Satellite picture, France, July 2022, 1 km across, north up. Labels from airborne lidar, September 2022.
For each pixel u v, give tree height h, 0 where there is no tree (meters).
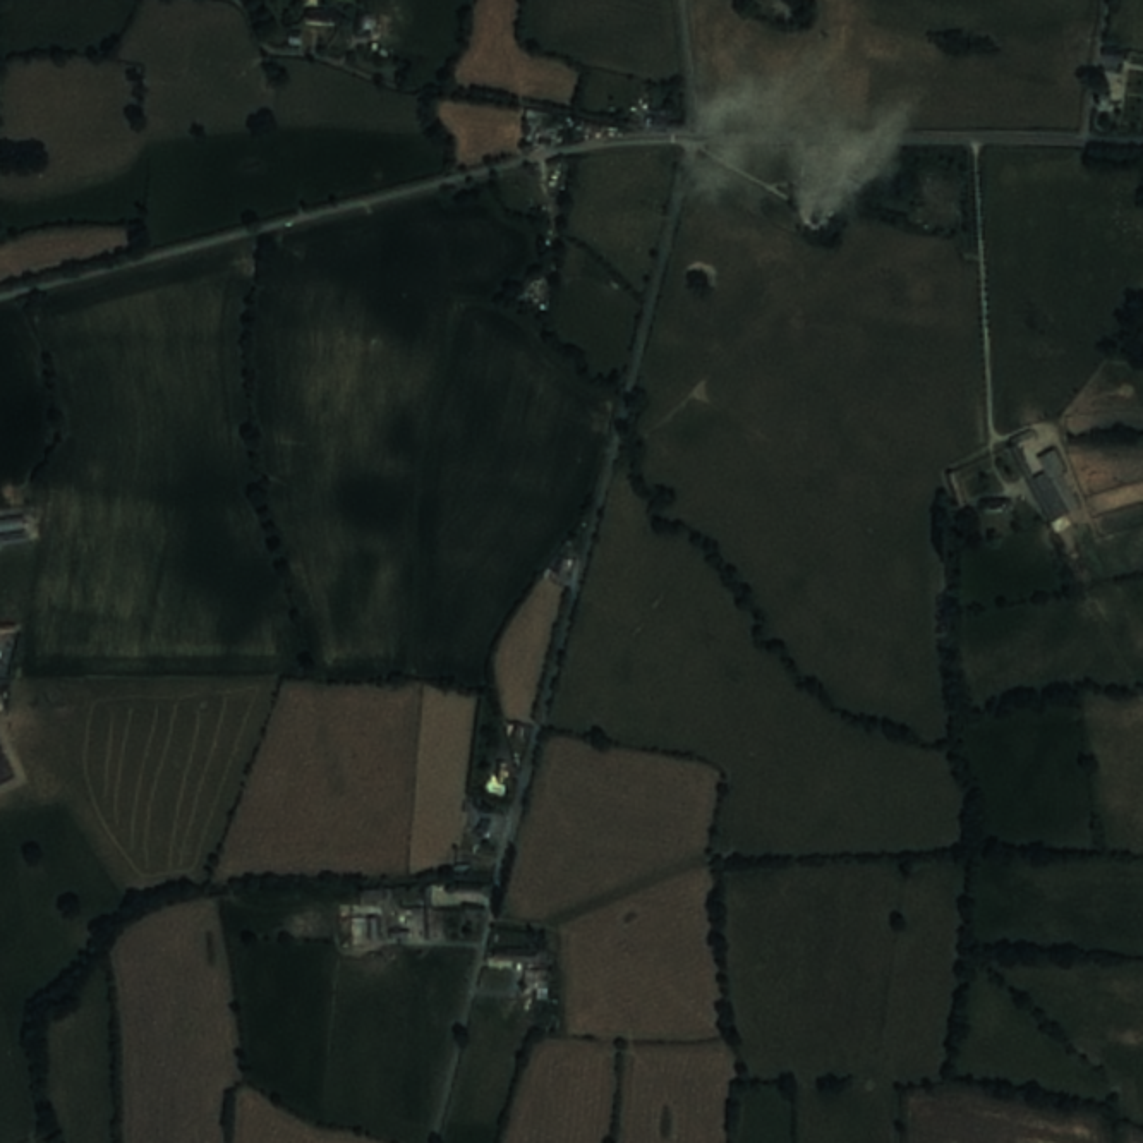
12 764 0
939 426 0
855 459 0
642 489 9
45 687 0
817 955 0
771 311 0
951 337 0
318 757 0
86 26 0
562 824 0
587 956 0
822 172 0
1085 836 0
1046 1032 7
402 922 0
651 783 0
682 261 0
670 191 0
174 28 0
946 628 26
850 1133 0
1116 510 0
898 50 0
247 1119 0
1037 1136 0
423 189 0
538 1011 0
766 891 0
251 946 9
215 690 0
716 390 0
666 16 0
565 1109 0
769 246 0
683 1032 0
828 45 0
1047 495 0
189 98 0
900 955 0
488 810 10
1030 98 0
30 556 0
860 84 0
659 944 0
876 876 0
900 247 0
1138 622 0
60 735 0
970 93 0
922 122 0
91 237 0
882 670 0
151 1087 0
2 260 0
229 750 0
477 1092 0
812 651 0
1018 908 0
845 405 0
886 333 0
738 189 0
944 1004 0
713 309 0
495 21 0
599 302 0
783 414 0
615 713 0
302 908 0
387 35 0
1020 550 0
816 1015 0
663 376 0
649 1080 0
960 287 0
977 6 0
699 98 0
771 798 0
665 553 0
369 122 0
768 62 0
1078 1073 0
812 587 0
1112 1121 7
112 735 0
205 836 0
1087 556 0
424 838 0
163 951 0
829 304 0
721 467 0
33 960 0
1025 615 0
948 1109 0
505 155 8
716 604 0
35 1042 16
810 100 0
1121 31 0
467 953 0
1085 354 0
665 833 0
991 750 0
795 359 0
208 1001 0
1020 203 0
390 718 0
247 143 0
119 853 0
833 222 11
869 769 0
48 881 0
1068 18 0
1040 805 0
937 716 0
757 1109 0
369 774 0
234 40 0
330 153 0
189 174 0
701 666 0
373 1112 0
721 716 0
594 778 0
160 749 0
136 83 23
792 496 0
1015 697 14
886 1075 0
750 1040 0
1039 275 0
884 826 0
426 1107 0
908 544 0
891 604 0
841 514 0
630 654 0
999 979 12
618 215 0
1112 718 0
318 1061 0
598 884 0
